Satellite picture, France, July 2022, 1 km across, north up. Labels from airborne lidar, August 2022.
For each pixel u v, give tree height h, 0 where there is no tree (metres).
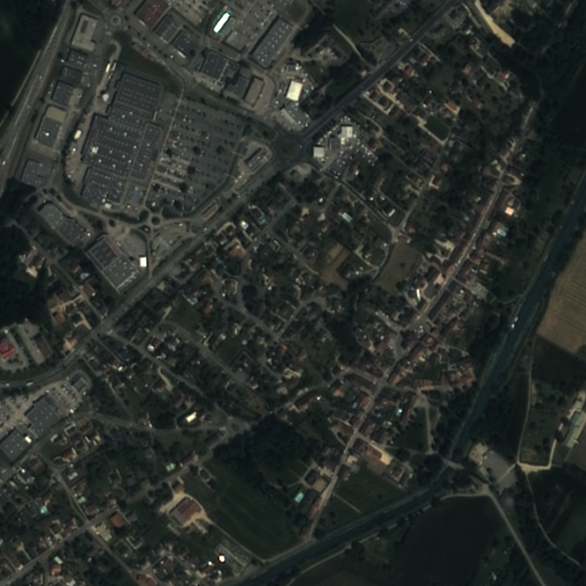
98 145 0
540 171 18
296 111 0
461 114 9
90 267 17
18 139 0
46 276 9
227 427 0
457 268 0
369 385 0
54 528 0
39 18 20
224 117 0
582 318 0
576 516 0
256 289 17
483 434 17
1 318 15
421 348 0
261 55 0
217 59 0
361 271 0
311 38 17
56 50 0
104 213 0
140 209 0
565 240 0
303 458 11
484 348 20
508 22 0
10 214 17
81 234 0
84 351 0
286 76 0
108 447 11
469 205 7
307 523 17
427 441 0
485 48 0
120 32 0
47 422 0
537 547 18
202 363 7
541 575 0
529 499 11
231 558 0
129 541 0
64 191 0
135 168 0
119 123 0
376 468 0
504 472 0
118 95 0
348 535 0
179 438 0
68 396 0
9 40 0
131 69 0
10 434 0
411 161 11
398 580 0
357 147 0
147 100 0
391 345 0
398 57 0
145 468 13
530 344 7
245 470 27
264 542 0
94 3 0
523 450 0
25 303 14
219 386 7
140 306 8
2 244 17
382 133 0
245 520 0
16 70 0
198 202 0
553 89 20
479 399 0
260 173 0
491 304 9
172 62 0
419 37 0
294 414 0
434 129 0
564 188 8
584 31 11
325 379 8
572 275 0
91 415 0
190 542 0
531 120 0
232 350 0
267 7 0
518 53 21
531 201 10
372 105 0
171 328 0
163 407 7
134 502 0
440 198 8
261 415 10
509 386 7
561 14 24
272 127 0
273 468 16
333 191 0
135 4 0
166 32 0
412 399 0
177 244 0
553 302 0
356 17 0
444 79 0
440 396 10
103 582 17
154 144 0
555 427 0
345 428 0
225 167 0
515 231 13
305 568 0
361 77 8
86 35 0
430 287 0
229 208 0
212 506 0
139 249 0
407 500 0
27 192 11
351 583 0
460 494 0
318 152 0
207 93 0
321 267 0
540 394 6
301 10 0
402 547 7
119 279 0
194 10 0
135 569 0
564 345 0
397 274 0
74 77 0
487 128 10
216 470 0
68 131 0
